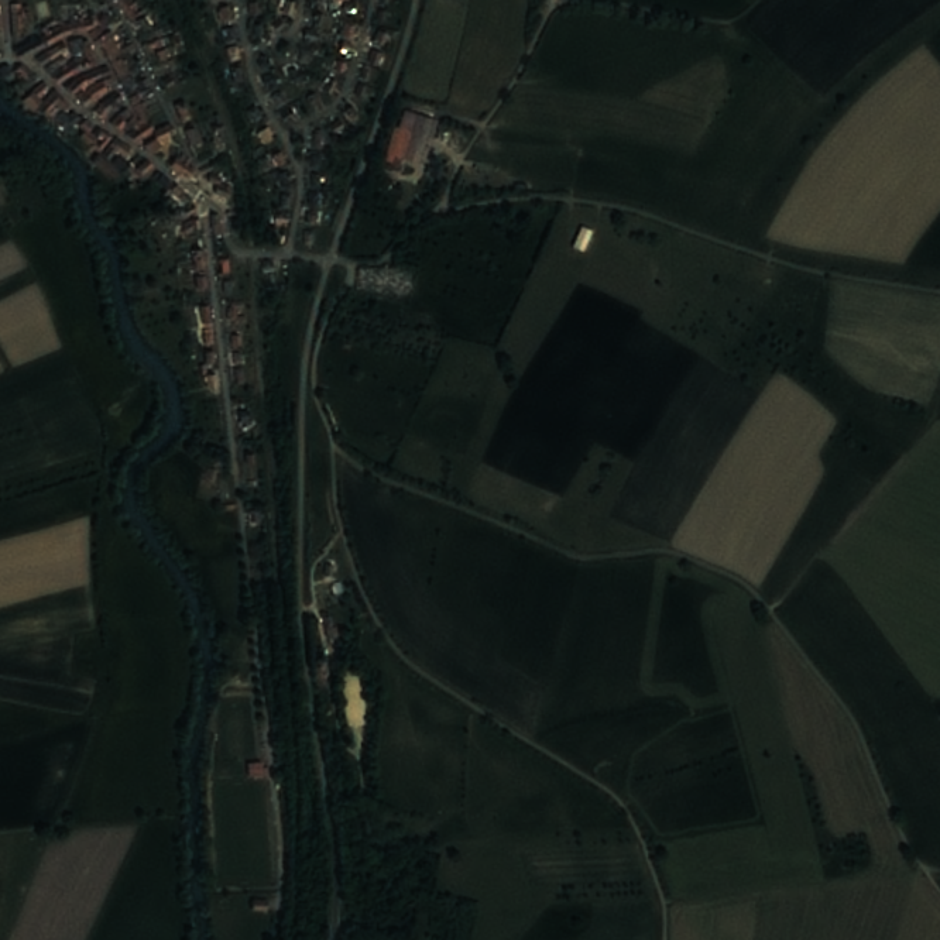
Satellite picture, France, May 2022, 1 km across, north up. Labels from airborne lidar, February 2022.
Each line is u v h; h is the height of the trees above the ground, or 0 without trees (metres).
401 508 0
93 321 0
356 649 8
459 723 0
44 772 0
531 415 0
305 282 0
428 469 0
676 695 0
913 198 0
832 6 0
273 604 17
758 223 0
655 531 0
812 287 0
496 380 0
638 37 0
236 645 0
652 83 0
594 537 0
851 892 0
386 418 0
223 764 0
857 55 0
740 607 0
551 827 0
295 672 16
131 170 0
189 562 13
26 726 0
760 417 0
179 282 0
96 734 0
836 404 0
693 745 0
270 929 0
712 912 0
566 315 0
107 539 0
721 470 0
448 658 0
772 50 0
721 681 0
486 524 0
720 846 0
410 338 7
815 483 0
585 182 0
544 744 0
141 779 0
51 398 0
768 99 0
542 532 0
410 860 21
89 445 0
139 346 0
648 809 0
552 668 0
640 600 0
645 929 0
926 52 0
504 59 0
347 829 14
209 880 22
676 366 0
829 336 0
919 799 0
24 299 0
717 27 0
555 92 0
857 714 0
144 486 16
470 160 0
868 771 0
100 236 0
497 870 0
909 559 0
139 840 0
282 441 11
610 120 0
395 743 0
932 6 0
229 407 0
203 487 0
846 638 0
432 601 0
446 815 0
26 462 0
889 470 0
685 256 0
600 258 0
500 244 0
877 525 0
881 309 0
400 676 0
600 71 0
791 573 0
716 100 0
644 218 0
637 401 0
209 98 0
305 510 0
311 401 0
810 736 0
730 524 0
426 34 0
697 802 0
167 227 0
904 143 0
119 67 0
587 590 0
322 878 19
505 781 0
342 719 8
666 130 0
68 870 0
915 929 0
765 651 0
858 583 0
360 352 0
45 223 0
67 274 0
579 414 0
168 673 0
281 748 10
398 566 0
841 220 0
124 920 0
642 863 0
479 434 0
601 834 0
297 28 0
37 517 0
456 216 13
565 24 0
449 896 9
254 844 0
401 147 0
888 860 0
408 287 0
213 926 6
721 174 0
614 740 0
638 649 0
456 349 0
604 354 0
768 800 0
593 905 0
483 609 0
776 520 0
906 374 0
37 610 0
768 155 0
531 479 0
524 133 0
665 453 0
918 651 0
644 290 0
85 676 0
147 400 0
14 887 0
